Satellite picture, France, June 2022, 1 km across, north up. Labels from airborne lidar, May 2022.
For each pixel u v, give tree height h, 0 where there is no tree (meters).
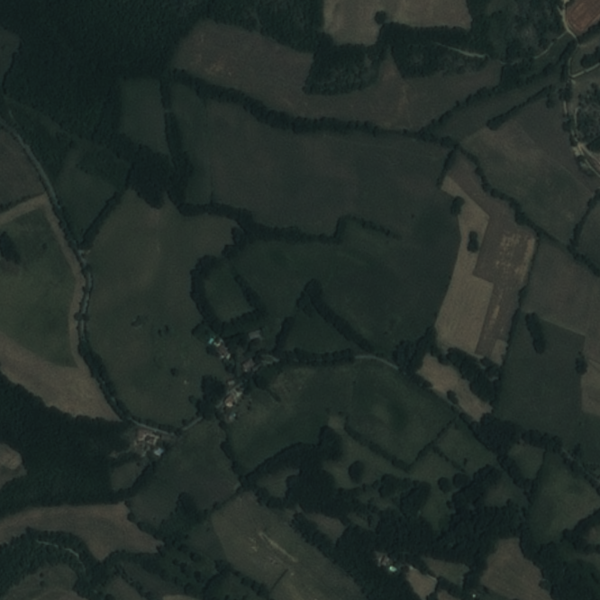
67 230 11
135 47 9
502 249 0
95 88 13
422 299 0
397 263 0
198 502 0
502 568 0
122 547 0
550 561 18
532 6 8
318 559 0
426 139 18
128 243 0
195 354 0
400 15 0
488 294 0
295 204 0
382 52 9
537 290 0
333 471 0
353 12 0
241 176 0
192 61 0
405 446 0
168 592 0
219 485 0
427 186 0
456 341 0
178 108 0
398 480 13
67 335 0
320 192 0
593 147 13
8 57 0
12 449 9
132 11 11
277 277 0
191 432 0
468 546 23
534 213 0
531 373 0
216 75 0
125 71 14
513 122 0
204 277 17
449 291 0
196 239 0
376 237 0
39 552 9
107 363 0
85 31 7
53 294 0
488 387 17
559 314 0
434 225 0
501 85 9
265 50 0
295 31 8
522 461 0
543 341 14
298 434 0
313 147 0
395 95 0
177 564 14
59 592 0
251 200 0
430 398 0
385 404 0
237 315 0
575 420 0
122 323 0
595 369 0
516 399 0
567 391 0
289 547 0
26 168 0
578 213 0
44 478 9
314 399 0
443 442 0
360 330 0
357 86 7
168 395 0
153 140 0
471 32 7
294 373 0
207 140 0
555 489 0
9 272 0
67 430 14
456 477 14
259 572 0
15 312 0
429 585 0
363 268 0
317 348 0
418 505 20
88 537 0
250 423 0
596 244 0
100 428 17
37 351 0
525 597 0
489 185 14
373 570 8
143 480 16
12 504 8
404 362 9
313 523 12
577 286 0
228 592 0
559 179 0
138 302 0
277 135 0
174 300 0
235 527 0
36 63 16
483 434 24
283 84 0
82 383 0
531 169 0
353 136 0
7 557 11
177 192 11
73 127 16
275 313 0
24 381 0
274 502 15
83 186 0
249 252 0
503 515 13
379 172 0
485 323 0
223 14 8
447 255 0
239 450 0
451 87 0
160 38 11
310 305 9
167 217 0
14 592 0
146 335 0
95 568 18
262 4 10
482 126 0
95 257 0
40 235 0
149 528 6
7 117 11
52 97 17
